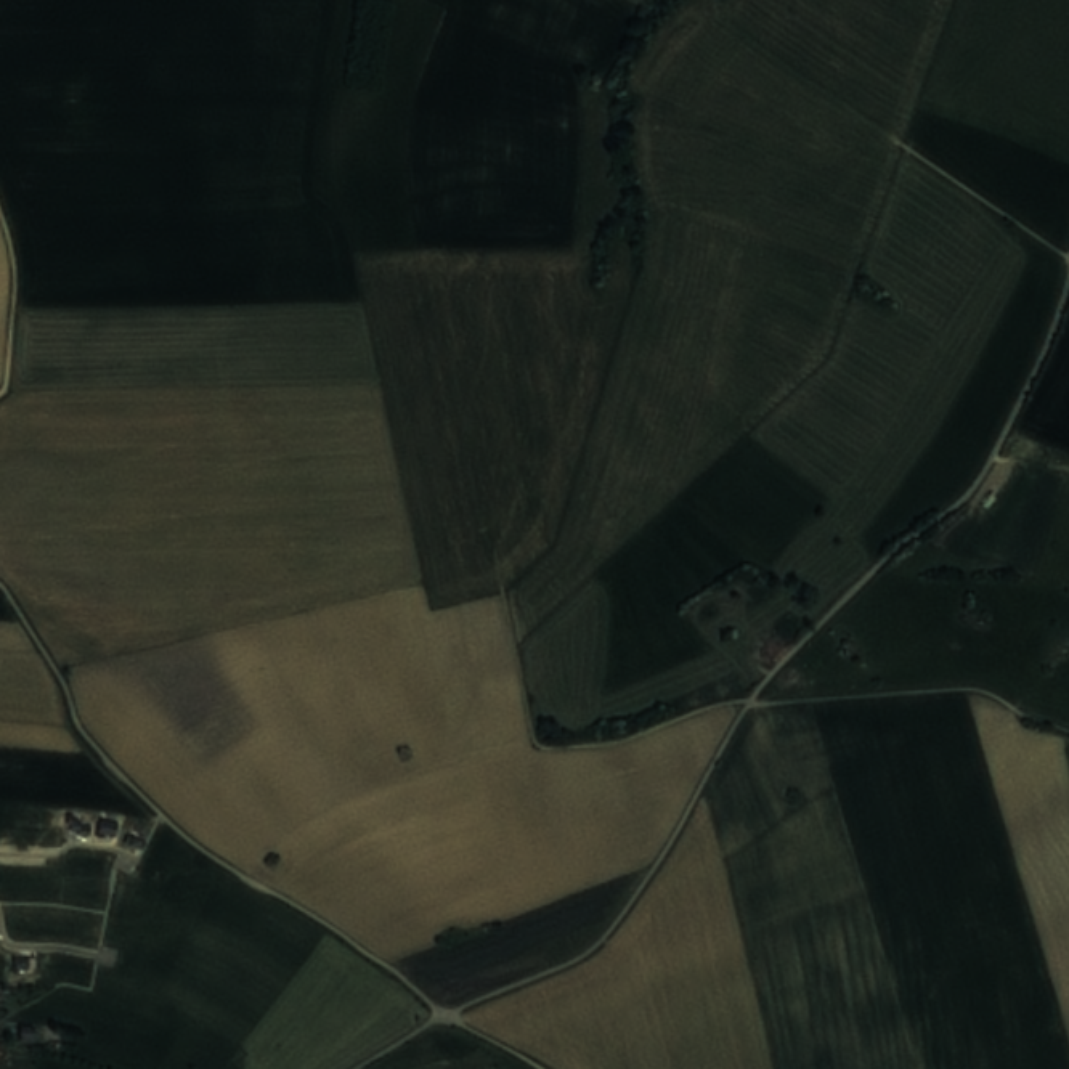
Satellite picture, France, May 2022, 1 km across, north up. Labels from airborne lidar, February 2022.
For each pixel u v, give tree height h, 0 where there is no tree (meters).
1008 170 0
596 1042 0
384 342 0
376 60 12
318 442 0
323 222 0
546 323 0
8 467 0
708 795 0
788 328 0
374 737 0
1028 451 0
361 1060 0
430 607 0
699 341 0
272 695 0
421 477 0
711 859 0
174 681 0
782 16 0
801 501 0
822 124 0
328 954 0
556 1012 0
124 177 0
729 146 0
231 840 0
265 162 0
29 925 0
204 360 0
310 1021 0
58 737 0
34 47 0
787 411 0
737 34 0
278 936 0
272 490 0
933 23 0
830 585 0
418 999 0
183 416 0
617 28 0
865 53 0
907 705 0
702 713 0
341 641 0
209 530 0
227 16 0
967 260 0
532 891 0
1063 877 0
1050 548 0
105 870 0
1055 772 0
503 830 0
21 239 0
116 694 0
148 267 0
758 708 0
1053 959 0
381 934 0
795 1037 0
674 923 0
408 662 0
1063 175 0
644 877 0
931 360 0
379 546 0
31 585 0
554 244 0
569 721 0
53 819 0
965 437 0
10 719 0
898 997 0
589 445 0
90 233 0
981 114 0
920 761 0
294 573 0
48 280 0
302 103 0
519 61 0
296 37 0
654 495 0
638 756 0
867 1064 0
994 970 0
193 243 0
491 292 0
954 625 0
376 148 0
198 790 0
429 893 0
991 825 0
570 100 0
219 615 0
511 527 0
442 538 0
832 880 0
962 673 0
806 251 0
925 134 0
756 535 0
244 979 0
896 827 0
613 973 0
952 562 0
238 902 0
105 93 0
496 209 0
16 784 0
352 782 0
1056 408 0
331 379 0
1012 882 0
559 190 0
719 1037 0
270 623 0
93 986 0
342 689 0
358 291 0
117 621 0
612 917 0
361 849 0
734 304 0
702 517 0
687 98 0
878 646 0
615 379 0
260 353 0
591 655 0
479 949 0
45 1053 6
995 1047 0
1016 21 0
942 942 0
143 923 0
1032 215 0
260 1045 0
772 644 0
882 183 0
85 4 0
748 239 0
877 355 0
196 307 0
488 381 0
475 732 0
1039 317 0
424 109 0
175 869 0
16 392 0
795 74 0
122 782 0
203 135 0
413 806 0
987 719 0
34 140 0
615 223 15
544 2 0
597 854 0
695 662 0
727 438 0
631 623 0
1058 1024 0
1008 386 0
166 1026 0
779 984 0
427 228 0
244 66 0
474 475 0
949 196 0
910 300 0
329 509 0
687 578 0
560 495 0
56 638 0
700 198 0
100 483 0
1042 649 0
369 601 0
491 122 0
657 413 0
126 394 0
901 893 0
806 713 0
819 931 0
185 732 0
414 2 0
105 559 0
